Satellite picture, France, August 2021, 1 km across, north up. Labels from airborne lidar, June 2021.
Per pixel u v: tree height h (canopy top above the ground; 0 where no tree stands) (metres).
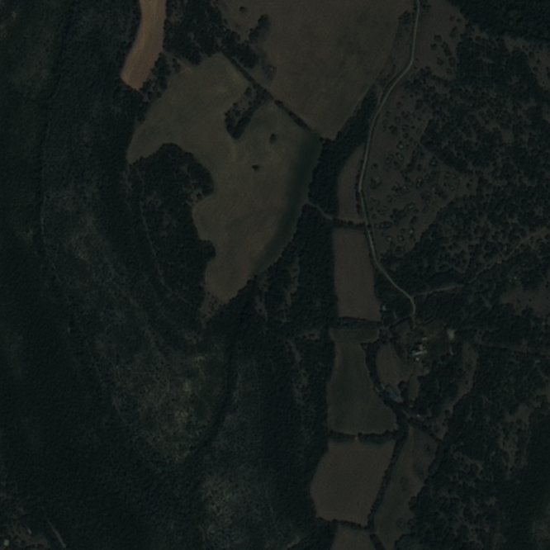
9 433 9
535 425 10
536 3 11
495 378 11
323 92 0
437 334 0
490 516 9
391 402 8
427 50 0
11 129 9
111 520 10
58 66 8
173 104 0
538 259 8
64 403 8
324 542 10
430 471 9
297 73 0
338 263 0
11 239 6
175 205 6
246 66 7
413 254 8
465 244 0
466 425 8
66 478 12
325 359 9
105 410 10
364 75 0
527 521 9
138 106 6
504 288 6
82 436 8
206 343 8
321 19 0
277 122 0
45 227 6
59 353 9
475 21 8
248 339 8
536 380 8
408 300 8
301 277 8
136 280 7
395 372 0
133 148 0
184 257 9
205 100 0
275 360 8
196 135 0
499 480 8
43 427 6
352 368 0
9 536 7
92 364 9
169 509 8
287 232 0
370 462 0
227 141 0
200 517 6
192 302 8
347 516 0
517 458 7
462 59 9
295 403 7
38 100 8
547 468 8
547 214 8
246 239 0
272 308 9
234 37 10
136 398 8
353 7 0
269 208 0
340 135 10
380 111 0
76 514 6
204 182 8
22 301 7
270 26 0
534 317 7
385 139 0
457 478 7
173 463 8
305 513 9
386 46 0
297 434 5
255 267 0
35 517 8
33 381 10
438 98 5
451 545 10
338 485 0
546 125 10
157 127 0
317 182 15
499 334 9
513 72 7
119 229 7
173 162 7
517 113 7
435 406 9
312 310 8
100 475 6
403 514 0
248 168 0
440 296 6
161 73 9
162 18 0
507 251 8
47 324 8
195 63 9
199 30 7
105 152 8
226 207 0
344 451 0
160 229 8
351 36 0
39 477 6
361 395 0
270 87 0
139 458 7
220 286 0
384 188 0
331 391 0
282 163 0
